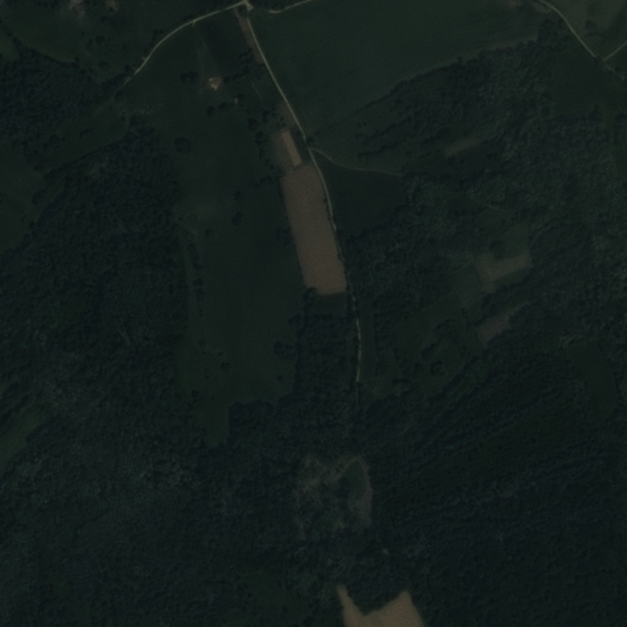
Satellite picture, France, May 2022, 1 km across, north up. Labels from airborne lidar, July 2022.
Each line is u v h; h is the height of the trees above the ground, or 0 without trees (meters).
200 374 0
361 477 0
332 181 0
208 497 26
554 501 18
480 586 24
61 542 15
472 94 10
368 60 0
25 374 18
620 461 21
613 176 20
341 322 17
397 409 13
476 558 23
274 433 27
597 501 17
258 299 0
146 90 0
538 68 19
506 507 20
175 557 16
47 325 26
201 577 17
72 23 0
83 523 16
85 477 20
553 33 6
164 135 0
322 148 0
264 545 24
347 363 18
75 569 13
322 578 21
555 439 6
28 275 18
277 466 20
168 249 9
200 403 12
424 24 0
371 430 15
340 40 0
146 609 15
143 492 27
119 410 17
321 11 0
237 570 15
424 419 21
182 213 0
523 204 15
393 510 6
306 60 0
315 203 0
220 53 0
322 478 12
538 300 17
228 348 0
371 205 0
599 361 0
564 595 21
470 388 14
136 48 0
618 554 25
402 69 0
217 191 0
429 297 13
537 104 26
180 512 31
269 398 0
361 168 0
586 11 0
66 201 17
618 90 0
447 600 24
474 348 0
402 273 18
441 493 8
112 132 0
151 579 18
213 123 0
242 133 0
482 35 0
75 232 17
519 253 0
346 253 12
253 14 0
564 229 15
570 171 18
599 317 16
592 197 22
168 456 27
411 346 0
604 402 0
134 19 0
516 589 25
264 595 0
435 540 24
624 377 21
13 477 18
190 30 0
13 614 19
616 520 21
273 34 0
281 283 0
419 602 21
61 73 21
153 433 13
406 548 22
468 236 26
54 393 17
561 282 17
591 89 0
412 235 21
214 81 0
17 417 13
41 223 13
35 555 14
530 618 19
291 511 29
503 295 15
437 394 0
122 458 25
